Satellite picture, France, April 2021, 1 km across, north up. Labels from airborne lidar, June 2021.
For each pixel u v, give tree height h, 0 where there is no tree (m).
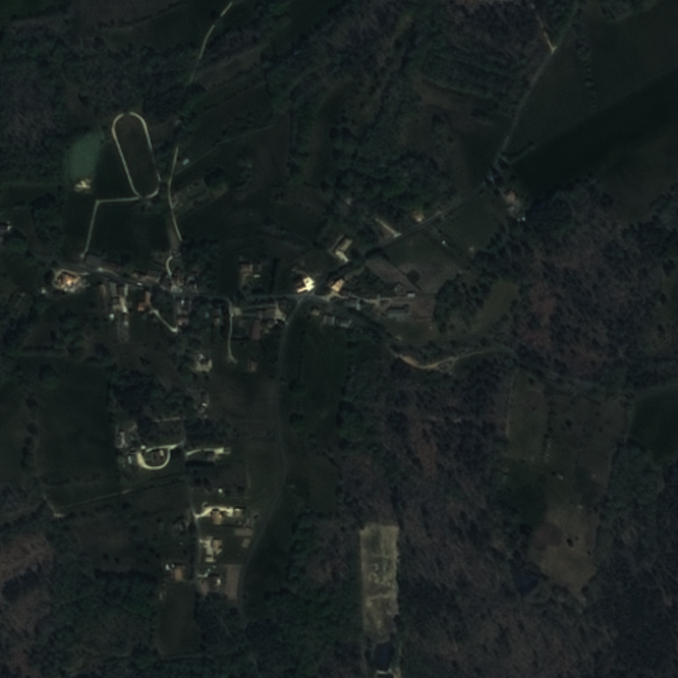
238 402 0
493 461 10
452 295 12
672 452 0
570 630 12
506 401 15
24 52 19
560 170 0
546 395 0
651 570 11
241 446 0
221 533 0
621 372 22
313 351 0
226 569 0
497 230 0
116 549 0
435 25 24
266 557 0
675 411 0
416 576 12
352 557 15
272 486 0
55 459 0
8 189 0
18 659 0
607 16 14
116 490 0
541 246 9
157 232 0
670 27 0
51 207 20
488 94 17
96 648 15
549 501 0
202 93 17
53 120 15
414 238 0
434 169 20
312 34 10
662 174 0
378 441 14
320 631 17
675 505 18
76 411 0
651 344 14
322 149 0
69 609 22
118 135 0
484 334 0
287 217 0
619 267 11
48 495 0
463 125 0
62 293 8
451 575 12
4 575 0
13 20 11
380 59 16
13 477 0
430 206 16
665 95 0
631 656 13
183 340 7
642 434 0
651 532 18
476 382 11
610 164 0
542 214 23
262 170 0
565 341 21
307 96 21
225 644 10
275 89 21
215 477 0
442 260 0
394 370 13
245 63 0
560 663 7
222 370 0
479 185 0
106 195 0
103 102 16
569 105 0
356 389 10
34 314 11
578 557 0
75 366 0
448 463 10
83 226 0
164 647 0
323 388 0
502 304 0
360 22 12
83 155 0
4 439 0
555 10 20
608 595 17
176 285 0
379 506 13
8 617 11
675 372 10
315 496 0
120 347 0
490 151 0
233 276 0
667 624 19
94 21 0
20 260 0
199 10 0
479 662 9
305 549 17
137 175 0
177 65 17
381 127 15
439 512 8
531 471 0
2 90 16
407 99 17
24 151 13
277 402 0
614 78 0
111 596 25
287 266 0
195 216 0
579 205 10
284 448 0
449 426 16
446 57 15
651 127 0
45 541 12
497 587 17
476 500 13
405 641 17
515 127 0
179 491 0
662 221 15
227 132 7
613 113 0
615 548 12
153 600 23
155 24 0
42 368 0
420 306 0
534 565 0
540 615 6
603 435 0
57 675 14
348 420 25
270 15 20
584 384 13
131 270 16
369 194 25
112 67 12
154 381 7
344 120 9
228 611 12
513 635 8
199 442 8
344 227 13
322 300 0
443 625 11
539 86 0
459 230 0
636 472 17
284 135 0
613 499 11
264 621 10
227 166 0
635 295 13
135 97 14
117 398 16
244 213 0
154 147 9
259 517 0
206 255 18
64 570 19
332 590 13
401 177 21
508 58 7
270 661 14
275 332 9
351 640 12
